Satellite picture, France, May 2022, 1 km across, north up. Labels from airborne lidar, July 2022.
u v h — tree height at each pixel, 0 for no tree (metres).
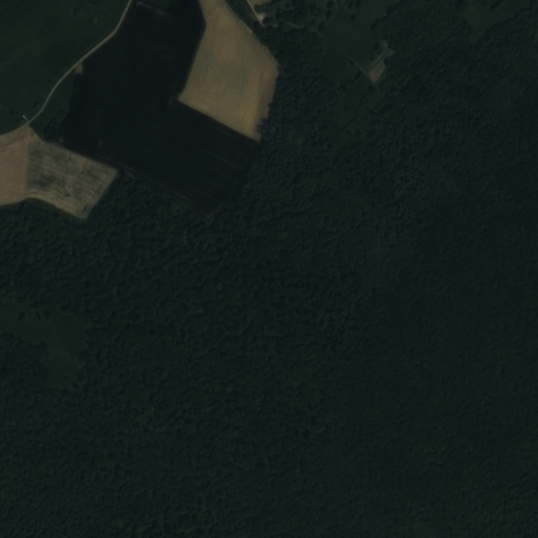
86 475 14
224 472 16
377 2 0
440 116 26
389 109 20
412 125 28
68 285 20
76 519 9
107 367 24
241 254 23
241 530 18
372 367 21
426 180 27
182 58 0
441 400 19
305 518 19
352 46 0
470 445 18
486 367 20
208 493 20
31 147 0
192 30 0
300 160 8
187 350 16
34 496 11
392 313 21
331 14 8
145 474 15
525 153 24
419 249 21
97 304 14
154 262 13
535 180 24
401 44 12
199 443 20
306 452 22
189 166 0
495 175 26
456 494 20
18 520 7
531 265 22
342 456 22
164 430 10
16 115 12
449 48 25
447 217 24
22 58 0
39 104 7
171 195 0
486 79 21
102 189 0
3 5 0
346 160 7
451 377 20
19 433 17
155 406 16
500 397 18
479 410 24
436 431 19
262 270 29
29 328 0
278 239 27
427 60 22
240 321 18
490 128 18
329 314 27
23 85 0
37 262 28
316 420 12
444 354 21
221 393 26
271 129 29
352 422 19
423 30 15
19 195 0
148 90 0
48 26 0
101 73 0
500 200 23
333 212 21
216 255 26
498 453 16
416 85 18
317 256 26
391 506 18
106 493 14
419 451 20
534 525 11
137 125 0
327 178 21
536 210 23
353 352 10
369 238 20
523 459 14
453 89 20
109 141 0
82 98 0
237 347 18
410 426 23
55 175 0
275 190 20
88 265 26
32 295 24
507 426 21
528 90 23
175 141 0
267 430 22
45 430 20
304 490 19
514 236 21
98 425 19
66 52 0
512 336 21
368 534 18
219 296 26
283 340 21
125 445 22
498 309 24
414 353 21
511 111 21
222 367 20
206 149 0
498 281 22
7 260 25
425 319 22
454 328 22
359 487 19
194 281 26
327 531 20
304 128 23
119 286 27
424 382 18
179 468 19
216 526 18
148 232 26
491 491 23
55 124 15
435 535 19
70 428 19
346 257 21
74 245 18
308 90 18
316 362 17
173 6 0
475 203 28
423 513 19
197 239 23
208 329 17
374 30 15
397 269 18
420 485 16
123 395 22
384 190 8
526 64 20
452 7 16
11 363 22
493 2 0
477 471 19
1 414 14
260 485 23
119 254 28
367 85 0
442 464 18
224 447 19
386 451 23
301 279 22
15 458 12
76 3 0
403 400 20
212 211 0
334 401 20
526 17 15
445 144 28
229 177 0
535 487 9
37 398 14
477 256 24
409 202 22
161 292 26
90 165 0
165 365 26
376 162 10
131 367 29
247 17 0
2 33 0
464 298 23
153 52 0
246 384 17
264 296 29
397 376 22
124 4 0
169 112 0
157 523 19
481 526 13
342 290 26
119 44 0
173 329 25
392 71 12
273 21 8
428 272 25
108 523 16
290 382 19
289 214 19
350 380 23
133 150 0
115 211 28
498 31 19
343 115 0
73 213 0
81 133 0
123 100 0
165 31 0
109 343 15
